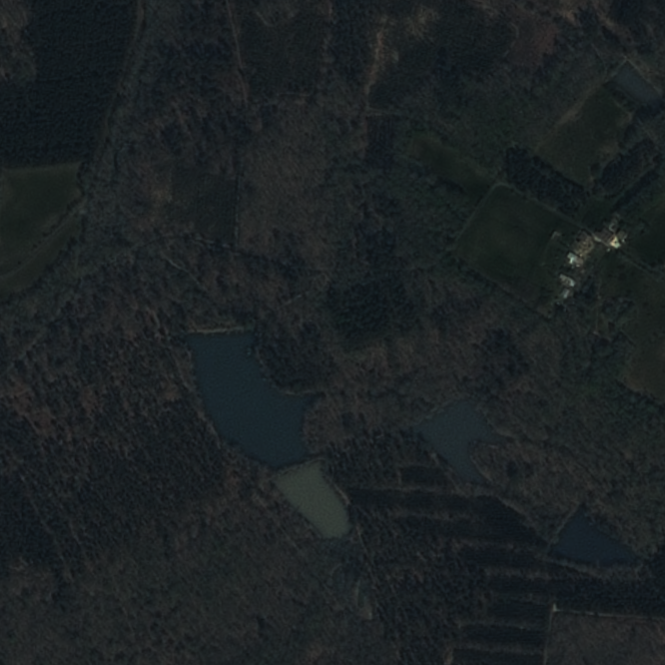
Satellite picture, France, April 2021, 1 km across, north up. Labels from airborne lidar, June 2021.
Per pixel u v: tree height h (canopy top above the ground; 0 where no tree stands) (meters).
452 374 19
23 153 21
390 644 22
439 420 0
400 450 20
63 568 17
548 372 15
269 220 11
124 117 20
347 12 24
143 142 17
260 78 8
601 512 11
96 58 21
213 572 13
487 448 13
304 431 6
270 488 9
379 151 8
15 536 15
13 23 21
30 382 11
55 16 20
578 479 15
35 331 7
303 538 13
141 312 9
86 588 12
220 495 25
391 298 13
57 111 19
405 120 17
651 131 23
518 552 8
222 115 23
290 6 16
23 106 21
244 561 19
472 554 8
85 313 12
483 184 0
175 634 14
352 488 6
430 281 14
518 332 9
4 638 15
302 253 9
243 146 15
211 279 14
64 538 22
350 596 7
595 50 14
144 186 7
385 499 8
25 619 11
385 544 21
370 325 24
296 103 14
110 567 13
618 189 11
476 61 8
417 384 25
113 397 22
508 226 0
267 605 19
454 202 21
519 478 24
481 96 16
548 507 17
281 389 21
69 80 21
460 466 0
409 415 13
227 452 11
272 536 12
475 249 0
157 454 19
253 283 17
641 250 0
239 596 20
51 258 0
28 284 0
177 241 14
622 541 14
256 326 13
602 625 9
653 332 0
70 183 0
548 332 13
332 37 15
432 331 14
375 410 11
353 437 6
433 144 0
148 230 11
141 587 11
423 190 24
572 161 0
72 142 18
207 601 16
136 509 28
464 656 7
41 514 12
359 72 24
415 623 21
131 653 14
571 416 20
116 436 21
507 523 8
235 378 0
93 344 9
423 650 24
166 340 19
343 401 16
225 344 0
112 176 17
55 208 0
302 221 14
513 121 15
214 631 15
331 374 13
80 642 14
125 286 14
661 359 0
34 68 19
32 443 22
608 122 0
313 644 15
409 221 23
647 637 10
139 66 22
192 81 23
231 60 24
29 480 21
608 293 0
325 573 17
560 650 6
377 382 18
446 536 8
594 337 12
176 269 10
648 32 16
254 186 10
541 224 0
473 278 17
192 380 18
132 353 24
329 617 16
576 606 17
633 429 21
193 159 11
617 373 24
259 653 15
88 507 23
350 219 17
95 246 22
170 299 18
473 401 18
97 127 22
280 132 10
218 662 14
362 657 18
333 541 7
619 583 20
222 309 11
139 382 22
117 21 19
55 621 10
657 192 22
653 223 0
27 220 0
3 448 19
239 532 18
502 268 0
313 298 12
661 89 0
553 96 14
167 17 18
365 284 21
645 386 0
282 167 14
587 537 0
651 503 16
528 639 9
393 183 27
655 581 7
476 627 7
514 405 11
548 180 8
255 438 0
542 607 7
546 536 13
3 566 17
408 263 17
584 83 18
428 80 12
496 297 16
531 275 0
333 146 23
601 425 13
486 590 21
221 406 0
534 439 16
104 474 22
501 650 9
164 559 10
